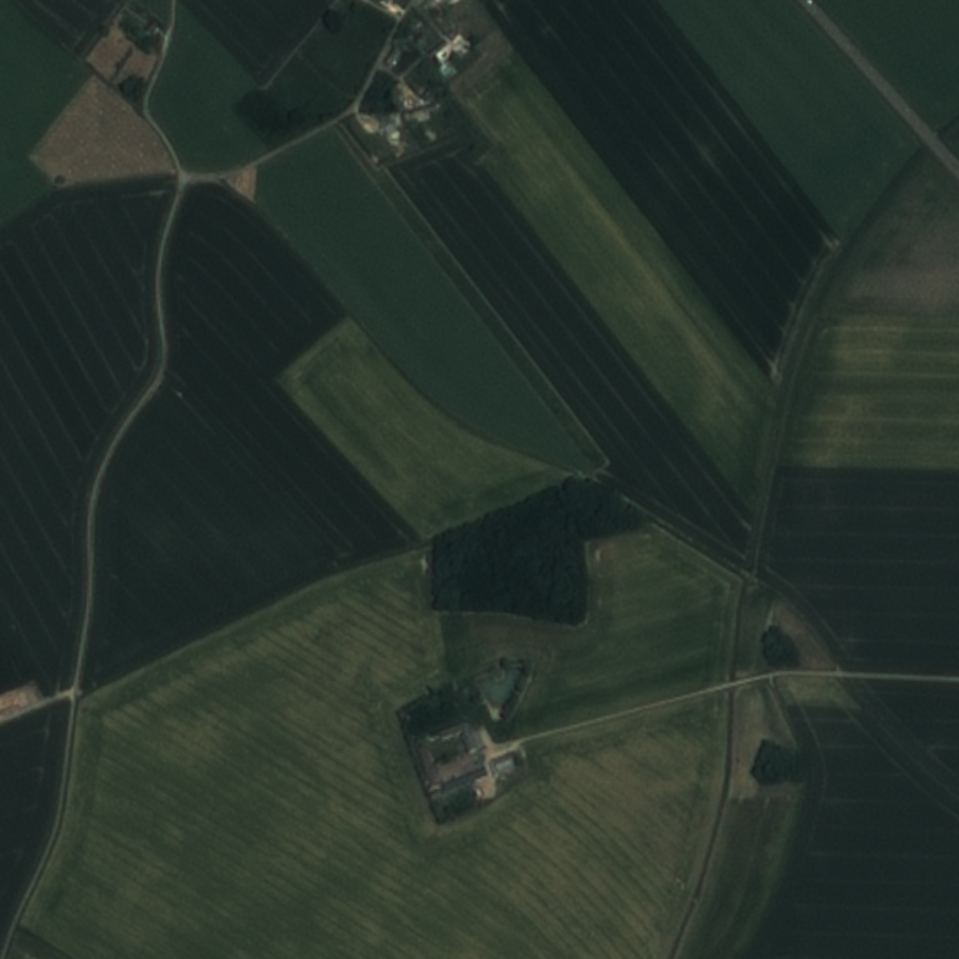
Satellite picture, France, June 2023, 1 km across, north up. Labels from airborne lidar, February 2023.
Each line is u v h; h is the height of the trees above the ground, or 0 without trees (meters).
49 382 0
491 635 0
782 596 0
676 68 0
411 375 0
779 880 0
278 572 0
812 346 0
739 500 0
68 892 0
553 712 0
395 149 0
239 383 0
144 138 0
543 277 0
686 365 0
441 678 0
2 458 0
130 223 0
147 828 0
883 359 0
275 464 0
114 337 0
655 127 0
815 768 0
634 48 0
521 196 0
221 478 0
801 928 0
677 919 0
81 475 0
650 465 0
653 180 0
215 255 0
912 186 0
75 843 0
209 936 0
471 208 0
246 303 0
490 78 0
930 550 0
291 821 0
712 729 0
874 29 0
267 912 0
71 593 0
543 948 0
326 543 0
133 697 0
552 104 0
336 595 0
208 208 0
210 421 0
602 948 0
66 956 0
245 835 0
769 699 0
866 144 0
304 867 0
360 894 0
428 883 0
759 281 0
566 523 14
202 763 0
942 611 0
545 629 0
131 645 0
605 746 0
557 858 0
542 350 0
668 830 0
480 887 0
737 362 0
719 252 0
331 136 0
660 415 0
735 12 0
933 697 0
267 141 0
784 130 0
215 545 0
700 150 0
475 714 0
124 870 0
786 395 0
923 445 0
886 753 0
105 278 0
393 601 0
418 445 0
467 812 6
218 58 0
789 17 0
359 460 0
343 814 0
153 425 0
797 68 0
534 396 0
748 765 0
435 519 0
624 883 0
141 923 0
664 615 0
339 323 0
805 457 0
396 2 0
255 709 0
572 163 0
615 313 0
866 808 0
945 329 0
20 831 0
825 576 0
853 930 0
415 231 0
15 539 0
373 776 0
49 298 0
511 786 0
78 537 0
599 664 0
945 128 0
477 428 0
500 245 0
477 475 0
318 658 0
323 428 0
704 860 0
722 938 0
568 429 0
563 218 0
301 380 0
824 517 0
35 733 0
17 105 0
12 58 0
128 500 0
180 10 0
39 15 0
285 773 0
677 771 0
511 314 0
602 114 0
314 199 0
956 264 0
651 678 0
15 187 0
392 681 0
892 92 0
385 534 0
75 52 0
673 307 0
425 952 0
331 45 0
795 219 0
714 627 0
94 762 0
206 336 0
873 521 0
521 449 0
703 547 0
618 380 0
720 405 0
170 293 0
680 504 0
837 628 0
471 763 0
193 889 0
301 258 0
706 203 0
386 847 0
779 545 0
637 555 0
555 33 0
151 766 0
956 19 0
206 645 0
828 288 0
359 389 0
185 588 0
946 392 0
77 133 0
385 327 0
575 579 17
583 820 0
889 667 0
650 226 0
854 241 0
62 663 0
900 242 0
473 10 0
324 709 0
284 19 0
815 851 0
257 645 0
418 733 6
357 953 0
